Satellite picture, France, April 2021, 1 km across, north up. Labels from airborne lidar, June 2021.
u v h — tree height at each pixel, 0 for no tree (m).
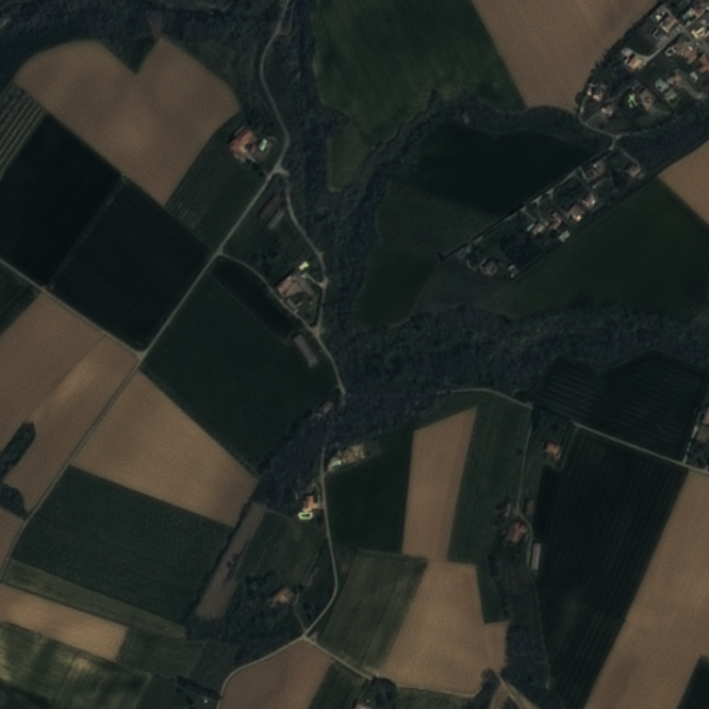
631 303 0
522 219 9
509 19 0
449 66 0
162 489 0
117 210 0
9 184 0
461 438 0
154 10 8
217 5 34
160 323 0
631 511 0
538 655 16
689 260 0
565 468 0
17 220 0
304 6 9
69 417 0
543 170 0
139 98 0
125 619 0
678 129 22
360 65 0
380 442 0
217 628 13
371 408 20
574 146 0
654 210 0
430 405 14
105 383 0
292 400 0
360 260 13
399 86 0
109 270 0
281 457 11
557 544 0
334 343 17
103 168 0
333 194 8
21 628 0
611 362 16
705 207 0
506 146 0
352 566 0
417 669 0
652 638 0
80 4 31
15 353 0
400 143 6
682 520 0
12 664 0
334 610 0
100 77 0
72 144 0
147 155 0
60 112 0
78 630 0
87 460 0
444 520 0
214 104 0
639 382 0
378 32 0
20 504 12
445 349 16
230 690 0
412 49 0
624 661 0
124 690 0
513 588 0
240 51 11
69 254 0
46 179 0
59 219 0
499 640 0
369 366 18
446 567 0
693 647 0
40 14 21
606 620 0
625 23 0
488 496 0
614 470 0
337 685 0
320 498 0
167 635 0
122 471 0
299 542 0
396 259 0
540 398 0
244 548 0
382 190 11
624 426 0
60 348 0
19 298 0
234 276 0
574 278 0
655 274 0
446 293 0
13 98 10
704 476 0
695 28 0
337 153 0
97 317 0
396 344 11
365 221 11
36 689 0
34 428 0
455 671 0
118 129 0
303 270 0
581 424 0
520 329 12
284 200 12
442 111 16
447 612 0
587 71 0
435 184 0
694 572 0
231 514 0
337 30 0
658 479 0
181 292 0
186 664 0
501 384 11
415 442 0
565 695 0
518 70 0
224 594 0
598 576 0
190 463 0
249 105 8
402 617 0
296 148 14
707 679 0
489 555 0
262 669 0
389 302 0
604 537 0
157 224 0
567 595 0
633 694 0
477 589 0
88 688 0
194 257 0
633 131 8
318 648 0
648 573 0
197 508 0
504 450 0
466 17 0
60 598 0
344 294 10
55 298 0
